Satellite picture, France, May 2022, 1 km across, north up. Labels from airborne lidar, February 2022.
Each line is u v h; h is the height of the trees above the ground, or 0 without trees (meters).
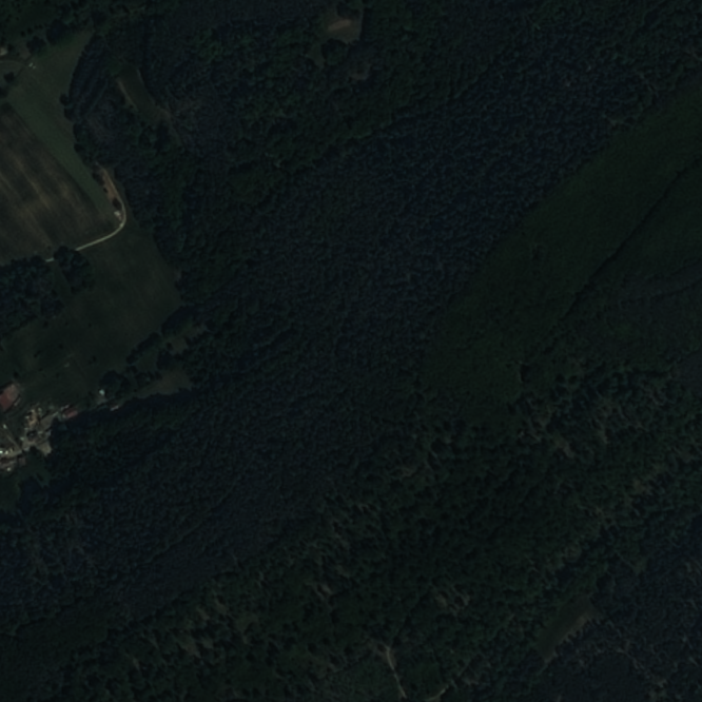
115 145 23
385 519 29
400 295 26
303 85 27
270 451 20
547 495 27
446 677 22
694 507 28
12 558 33
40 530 31
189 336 0
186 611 26
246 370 24
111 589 19
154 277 0
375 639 30
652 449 30
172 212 26
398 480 33
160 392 0
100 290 0
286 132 23
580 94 26
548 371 19
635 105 24
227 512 23
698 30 14
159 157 23
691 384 13
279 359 25
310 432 24
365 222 28
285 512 19
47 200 0
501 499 27
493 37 25
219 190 31
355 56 23
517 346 14
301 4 21
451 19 25
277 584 27
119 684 33
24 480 0
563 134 29
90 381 0
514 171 31
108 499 28
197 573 22
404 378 24
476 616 21
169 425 22
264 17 22
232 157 21
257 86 28
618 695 13
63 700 28
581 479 24
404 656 9
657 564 19
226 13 21
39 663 13
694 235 0
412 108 23
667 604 22
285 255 24
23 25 0
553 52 26
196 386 10
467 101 30
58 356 0
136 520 31
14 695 13
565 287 13
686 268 20
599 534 0
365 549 30
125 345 0
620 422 24
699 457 31
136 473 30
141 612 18
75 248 0
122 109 7
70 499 24
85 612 15
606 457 24
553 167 16
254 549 19
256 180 24
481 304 15
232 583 19
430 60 29
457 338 15
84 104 25
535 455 32
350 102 22
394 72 31
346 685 6
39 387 0
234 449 29
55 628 14
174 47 22
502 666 30
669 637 9
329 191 21
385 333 22
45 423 0
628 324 16
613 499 22
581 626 0
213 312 24
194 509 34
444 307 10
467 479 31
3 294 26
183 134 24
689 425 16
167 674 32
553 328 17
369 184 28
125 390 21
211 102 19
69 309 0
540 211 13
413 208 30
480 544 29
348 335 20
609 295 21
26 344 0
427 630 27
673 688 11
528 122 26
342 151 23
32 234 0
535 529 29
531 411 33
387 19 24
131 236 0
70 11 14
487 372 22
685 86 17
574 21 22
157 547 27
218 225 22
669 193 18
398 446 25
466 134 28
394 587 30
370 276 25
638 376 32
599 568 29
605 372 32
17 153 0
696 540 25
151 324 0
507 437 31
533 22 22
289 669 12
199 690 19
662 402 25
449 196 26
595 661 22
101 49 15
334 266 24
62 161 0
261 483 25
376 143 12
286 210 27
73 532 34
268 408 24
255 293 32
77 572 31
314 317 29
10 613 31
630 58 25
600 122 21
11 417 0
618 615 18
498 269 16
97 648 22
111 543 30
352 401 26
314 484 19
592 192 15
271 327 15
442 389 15
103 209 0
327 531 27
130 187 19
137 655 29
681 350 17
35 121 0
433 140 27
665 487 29
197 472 30
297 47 26
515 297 16
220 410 28
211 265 30
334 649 9
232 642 33
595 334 20
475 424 17
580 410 31
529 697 12
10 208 0
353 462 15
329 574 25
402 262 24
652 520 30
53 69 0
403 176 32
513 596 26
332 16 0
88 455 13
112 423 26
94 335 0
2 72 0
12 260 0
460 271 25
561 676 13
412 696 11
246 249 21
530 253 13
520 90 27
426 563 29
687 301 19
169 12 20
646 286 21
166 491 30
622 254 16
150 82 25
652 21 25
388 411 20
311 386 26
